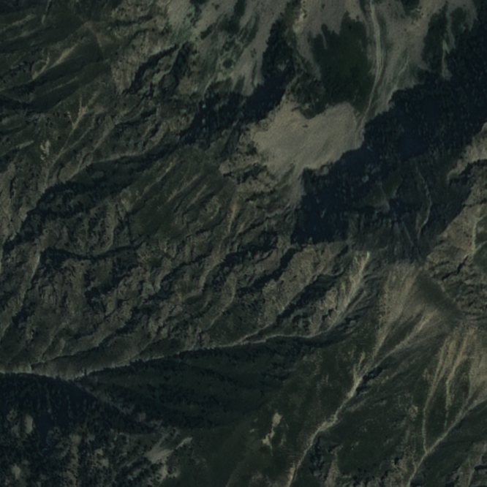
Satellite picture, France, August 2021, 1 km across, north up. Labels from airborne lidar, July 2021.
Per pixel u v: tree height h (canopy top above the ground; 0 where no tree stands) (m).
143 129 0
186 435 0
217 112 13
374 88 0
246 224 0
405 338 0
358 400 0
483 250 0
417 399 0
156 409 9
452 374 0
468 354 0
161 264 0
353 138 0
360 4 0
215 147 0
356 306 0
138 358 0
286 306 0
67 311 9
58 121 0
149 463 9
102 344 7
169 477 0
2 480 8
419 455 0
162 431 0
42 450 12
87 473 12
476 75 13
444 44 0
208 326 0
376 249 0
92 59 0
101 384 6
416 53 0
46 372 0
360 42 0
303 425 0
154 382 0
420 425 0
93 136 0
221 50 0
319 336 0
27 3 0
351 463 0
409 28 0
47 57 0
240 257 6
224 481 0
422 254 0
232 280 0
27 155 0
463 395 0
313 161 0
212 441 0
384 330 0
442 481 0
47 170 0
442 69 0
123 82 0
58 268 8
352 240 0
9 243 9
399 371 0
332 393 0
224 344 0
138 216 0
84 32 0
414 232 0
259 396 0
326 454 0
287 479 0
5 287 0
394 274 0
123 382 0
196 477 0
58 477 8
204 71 0
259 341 0
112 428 16
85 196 0
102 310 8
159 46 0
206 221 0
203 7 0
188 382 0
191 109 15
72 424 15
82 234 0
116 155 0
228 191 0
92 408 19
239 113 8
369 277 0
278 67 0
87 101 0
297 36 0
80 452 8
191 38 0
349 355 0
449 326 0
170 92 13
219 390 0
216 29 0
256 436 0
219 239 0
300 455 0
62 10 0
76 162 0
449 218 0
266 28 0
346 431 0
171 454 0
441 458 0
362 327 0
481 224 0
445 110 7
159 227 0
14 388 9
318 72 0
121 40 0
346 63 0
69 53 0
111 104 0
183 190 0
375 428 0
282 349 0
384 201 0
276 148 0
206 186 0
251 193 0
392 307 0
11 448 6
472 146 11
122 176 0
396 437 0
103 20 0
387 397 0
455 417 0
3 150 0
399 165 0
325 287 0
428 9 0
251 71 0
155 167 0
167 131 0
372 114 0
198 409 0
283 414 0
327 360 0
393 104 0
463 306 0
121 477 12
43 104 0
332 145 0
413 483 0
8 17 0
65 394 15
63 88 0
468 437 0
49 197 8
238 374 0
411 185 0
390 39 0
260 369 0
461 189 0
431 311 0
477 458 0
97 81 0
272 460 0
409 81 0
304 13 0
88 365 0
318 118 0
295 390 0
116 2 0
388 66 0
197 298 0
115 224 0
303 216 0
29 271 0
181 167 0
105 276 0
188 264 8
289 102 0
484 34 7
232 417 0
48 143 0
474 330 0
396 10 0
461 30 0
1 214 0
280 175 0
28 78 0
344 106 0
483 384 0
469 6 0
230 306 0
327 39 0
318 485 0
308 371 0
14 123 0
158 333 10
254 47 0
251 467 0
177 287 0
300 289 0
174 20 0
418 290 0
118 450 6
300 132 0
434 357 0
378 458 0
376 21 0
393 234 0
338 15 0
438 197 0
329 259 0
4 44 0
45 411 8
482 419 0
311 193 0
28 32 0
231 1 0
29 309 9
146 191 0
